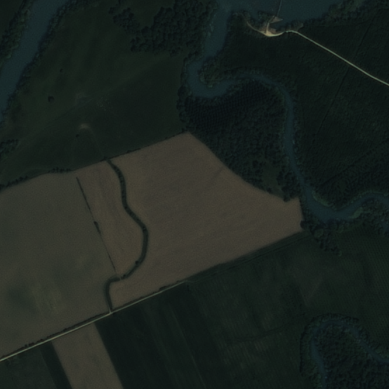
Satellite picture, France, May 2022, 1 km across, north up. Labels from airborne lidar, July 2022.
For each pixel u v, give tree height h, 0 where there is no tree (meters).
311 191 0
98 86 0
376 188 11
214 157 0
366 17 17
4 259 0
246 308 0
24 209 0
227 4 0
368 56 7
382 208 14
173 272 0
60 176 0
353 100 7
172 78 0
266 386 0
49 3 0
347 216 0
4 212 0
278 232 0
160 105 0
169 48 15
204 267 0
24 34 0
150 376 0
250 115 22
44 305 0
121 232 0
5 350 0
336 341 15
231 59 10
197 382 0
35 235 0
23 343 0
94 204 0
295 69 9
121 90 0
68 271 0
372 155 14
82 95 0
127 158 0
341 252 7
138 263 11
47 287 0
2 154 22
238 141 22
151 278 0
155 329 0
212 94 0
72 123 0
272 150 6
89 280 0
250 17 11
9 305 0
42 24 0
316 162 8
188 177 0
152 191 0
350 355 17
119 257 0
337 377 20
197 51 10
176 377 0
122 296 0
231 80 0
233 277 0
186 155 0
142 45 11
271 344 0
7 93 0
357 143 7
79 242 0
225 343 0
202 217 0
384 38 6
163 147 0
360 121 5
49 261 0
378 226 13
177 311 0
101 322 0
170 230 0
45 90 0
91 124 0
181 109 22
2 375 0
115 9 6
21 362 0
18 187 0
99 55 0
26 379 0
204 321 0
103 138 0
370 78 7
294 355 0
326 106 6
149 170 0
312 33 11
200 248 0
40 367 0
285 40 9
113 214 0
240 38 10
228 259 0
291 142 0
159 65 0
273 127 17
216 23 0
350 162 7
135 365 0
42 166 0
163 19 17
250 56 10
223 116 27
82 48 0
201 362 0
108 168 0
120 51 0
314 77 7
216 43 0
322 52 8
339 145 7
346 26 8
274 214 0
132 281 0
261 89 28
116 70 0
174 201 0
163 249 0
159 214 0
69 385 0
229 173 0
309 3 0
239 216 0
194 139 0
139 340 0
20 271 0
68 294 0
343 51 8
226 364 0
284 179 16
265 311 0
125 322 0
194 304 0
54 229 0
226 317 0
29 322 0
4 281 0
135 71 0
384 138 6
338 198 17
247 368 0
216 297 0
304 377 9
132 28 14
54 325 0
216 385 0
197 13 19
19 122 0
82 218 0
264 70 9
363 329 14
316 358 0
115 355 0
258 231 0
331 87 6
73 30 0
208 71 15
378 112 7
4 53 19
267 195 0
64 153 0
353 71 7
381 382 27
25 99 0
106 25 0
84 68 0
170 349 0
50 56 0
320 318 10
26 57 0
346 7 11
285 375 0
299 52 8
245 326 0
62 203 0
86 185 0
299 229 0
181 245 0
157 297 0
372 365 28
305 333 15
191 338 0
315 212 0
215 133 18
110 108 0
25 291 0
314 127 7
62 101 0
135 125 0
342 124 6
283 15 0
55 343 0
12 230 0
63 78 0
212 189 0
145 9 0
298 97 18
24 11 10
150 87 0
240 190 0
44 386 0
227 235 0
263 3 0
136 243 0
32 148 0
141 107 0
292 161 0
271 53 10
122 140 0
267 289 0
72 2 16
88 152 0
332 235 23
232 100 26
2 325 0
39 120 0
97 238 0
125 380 0
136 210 0
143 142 0
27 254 0
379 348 16
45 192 0
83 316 0
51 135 0
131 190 0
